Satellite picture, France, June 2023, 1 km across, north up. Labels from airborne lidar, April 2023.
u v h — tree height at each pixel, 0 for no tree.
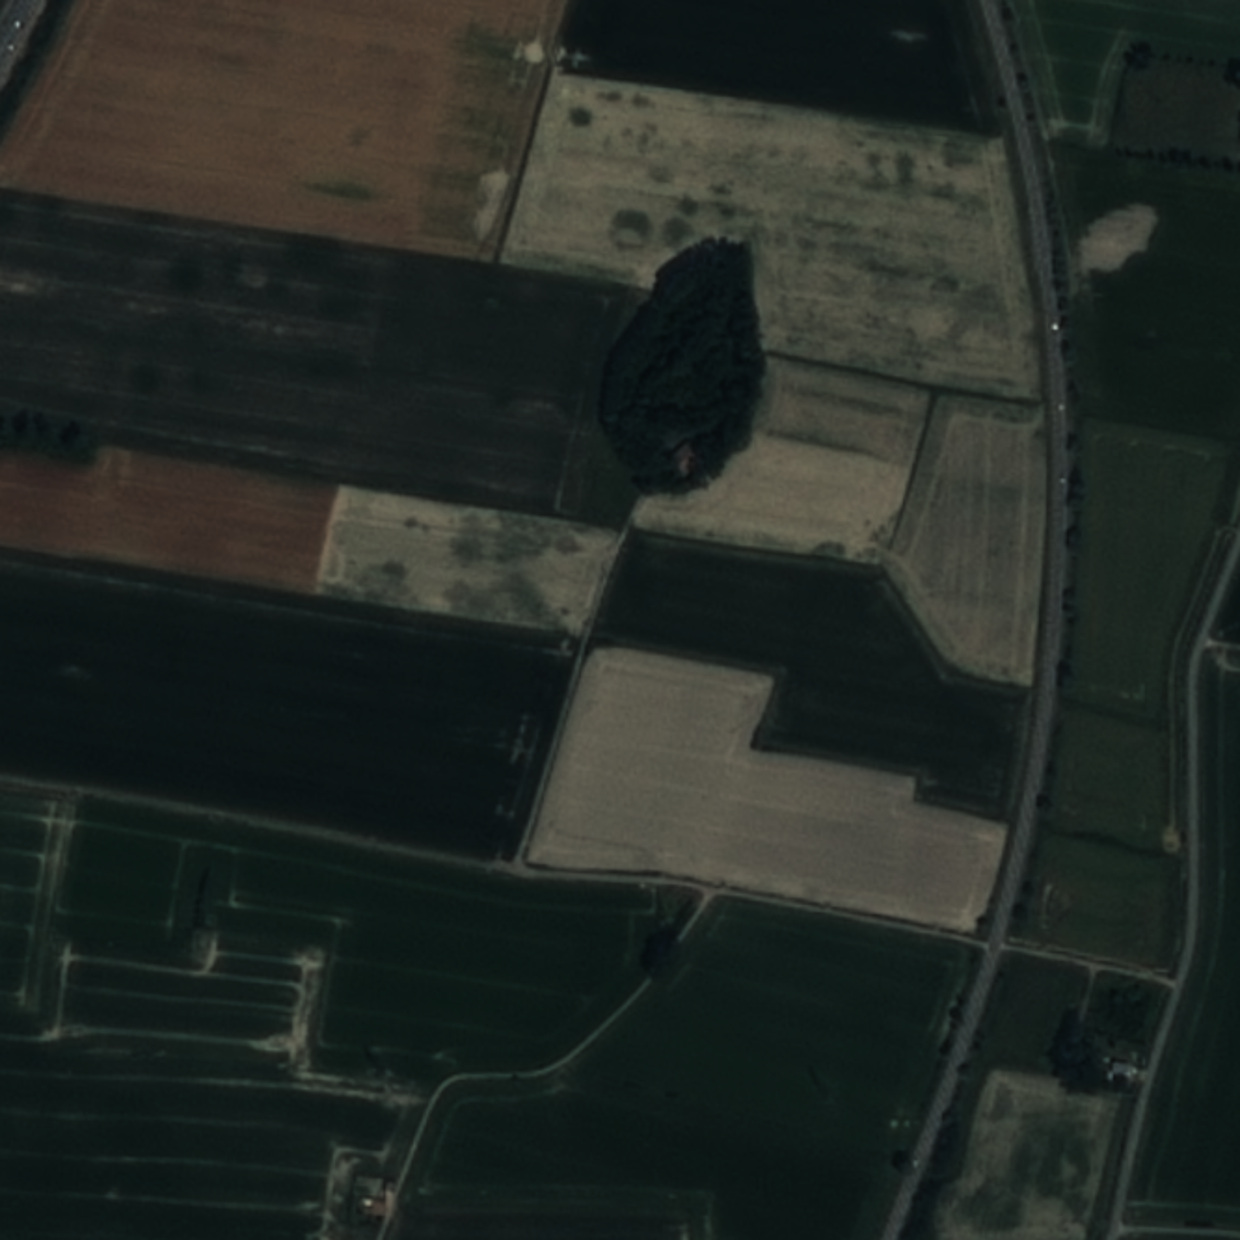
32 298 0
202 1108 0
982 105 0
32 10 0
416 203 0
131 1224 0
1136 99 0
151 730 0
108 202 0
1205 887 0
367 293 0
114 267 0
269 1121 0
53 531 0
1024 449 0
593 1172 0
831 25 0
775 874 0
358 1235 0
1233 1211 0
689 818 0
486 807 0
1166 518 0
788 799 0
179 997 0
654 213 0
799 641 0
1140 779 0
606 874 0
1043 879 0
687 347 20
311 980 0
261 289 0
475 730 0
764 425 0
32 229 0
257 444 0
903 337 0
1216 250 0
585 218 0
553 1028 0
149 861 0
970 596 0
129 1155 0
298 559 0
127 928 0
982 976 0
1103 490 0
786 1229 0
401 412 0
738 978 0
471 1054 0
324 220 0
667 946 22
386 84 0
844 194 0
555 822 0
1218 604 0
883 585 0
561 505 0
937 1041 0
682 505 0
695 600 0
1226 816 0
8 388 0
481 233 0
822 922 0
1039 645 0
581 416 0
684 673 0
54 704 0
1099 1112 0
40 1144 0
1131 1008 8
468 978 0
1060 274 10
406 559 0
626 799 0
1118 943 0
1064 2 0
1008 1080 0
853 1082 0
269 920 0
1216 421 0
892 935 0
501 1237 0
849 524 0
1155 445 0
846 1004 0
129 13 0
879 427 0
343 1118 0
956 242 0
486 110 0
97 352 0
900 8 0
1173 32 0
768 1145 0
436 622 0
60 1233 0
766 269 0
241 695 0
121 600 0
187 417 0
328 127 0
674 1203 0
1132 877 0
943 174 0
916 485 0
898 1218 0
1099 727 0
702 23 0
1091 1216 0
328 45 0
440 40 0
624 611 0
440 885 0
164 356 0
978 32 0
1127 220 0
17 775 0
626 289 0
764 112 0
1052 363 0
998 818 0
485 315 0
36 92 0
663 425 24
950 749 0
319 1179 0
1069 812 0
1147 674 0
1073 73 0
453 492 0
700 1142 0
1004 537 0
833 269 0
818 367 0
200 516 0
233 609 0
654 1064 0
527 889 0
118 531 0
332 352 0
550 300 0
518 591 0
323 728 0
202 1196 0
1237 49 0
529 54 0
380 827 0
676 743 0
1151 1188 0
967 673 0
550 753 0
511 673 0
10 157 0
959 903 0
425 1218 0
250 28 0
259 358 0
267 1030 0
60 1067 0
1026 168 0
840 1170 0
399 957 0
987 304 0
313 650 0
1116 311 0
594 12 0
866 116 0
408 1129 0
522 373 0
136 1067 0
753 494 0
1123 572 0
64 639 0
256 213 0
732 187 0
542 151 0
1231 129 0
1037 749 0
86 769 0
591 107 0
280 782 0
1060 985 0
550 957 0
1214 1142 0
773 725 0
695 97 0
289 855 0
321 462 0
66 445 10
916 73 0
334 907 0
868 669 0
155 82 0
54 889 0
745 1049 0
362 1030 0
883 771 0
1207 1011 0
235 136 0
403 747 0
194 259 0
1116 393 0
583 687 0
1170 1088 0
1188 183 0
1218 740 0
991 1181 0
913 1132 0
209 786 0
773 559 0
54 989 0
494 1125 0
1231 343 0
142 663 0
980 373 0
